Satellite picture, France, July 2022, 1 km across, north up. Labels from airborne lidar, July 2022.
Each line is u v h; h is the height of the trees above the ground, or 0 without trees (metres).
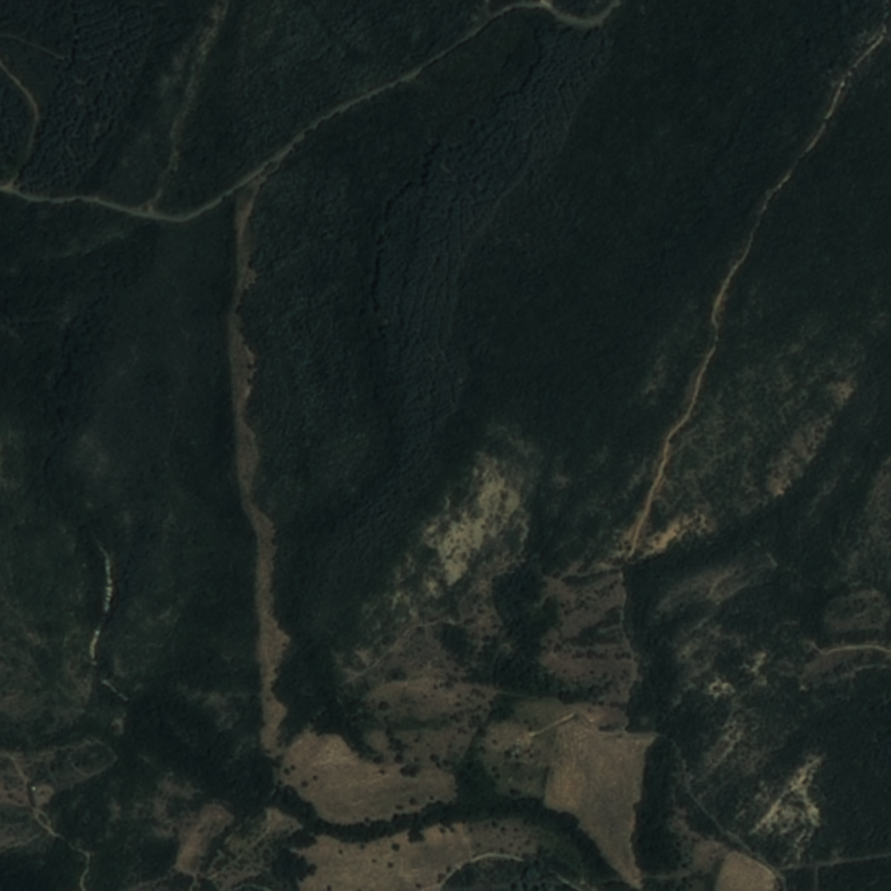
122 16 17
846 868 7
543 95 15
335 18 9
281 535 9
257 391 7
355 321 15
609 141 8
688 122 9
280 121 8
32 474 8
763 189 6
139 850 6
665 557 11
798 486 7
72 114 14
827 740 6
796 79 8
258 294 8
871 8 8
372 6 11
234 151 10
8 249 10
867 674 6
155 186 8
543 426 9
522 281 7
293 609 11
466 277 7
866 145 8
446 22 13
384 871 0
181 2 6
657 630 6
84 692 0
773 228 7
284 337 7
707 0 8
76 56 14
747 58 9
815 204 5
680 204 9
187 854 0
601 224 8
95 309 11
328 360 8
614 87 8
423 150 12
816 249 7
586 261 6
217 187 6
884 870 8
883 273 7
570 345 11
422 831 8
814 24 12
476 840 0
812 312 7
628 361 6
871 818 8
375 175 11
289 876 8
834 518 5
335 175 16
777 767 7
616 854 0
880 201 7
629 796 0
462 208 13
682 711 8
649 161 10
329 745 0
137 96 9
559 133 15
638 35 7
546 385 11
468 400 10
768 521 7
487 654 9
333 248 10
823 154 8
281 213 6
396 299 16
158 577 0
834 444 7
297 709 7
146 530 7
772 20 8
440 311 16
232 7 6
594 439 6
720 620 6
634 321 7
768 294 5
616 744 0
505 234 8
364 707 8
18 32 6
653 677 8
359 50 7
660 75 9
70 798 6
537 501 7
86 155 13
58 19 14
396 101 6
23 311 12
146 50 14
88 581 8
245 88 10
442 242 12
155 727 14
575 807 0
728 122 10
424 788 0
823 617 6
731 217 9
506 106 14
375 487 10
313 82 11
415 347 15
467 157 17
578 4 10
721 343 6
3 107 15
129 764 5
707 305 7
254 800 8
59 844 12
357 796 0
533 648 8
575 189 9
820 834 7
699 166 9
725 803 6
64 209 7
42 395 14
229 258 6
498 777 7
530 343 11
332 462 6
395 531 10
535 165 6
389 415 8
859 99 7
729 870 0
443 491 6
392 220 18
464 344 8
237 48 7
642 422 6
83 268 12
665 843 9
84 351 8
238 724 6
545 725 0
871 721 8
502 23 13
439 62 10
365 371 20
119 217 6
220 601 7
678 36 10
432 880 0
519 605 17
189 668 9
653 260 16
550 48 16
